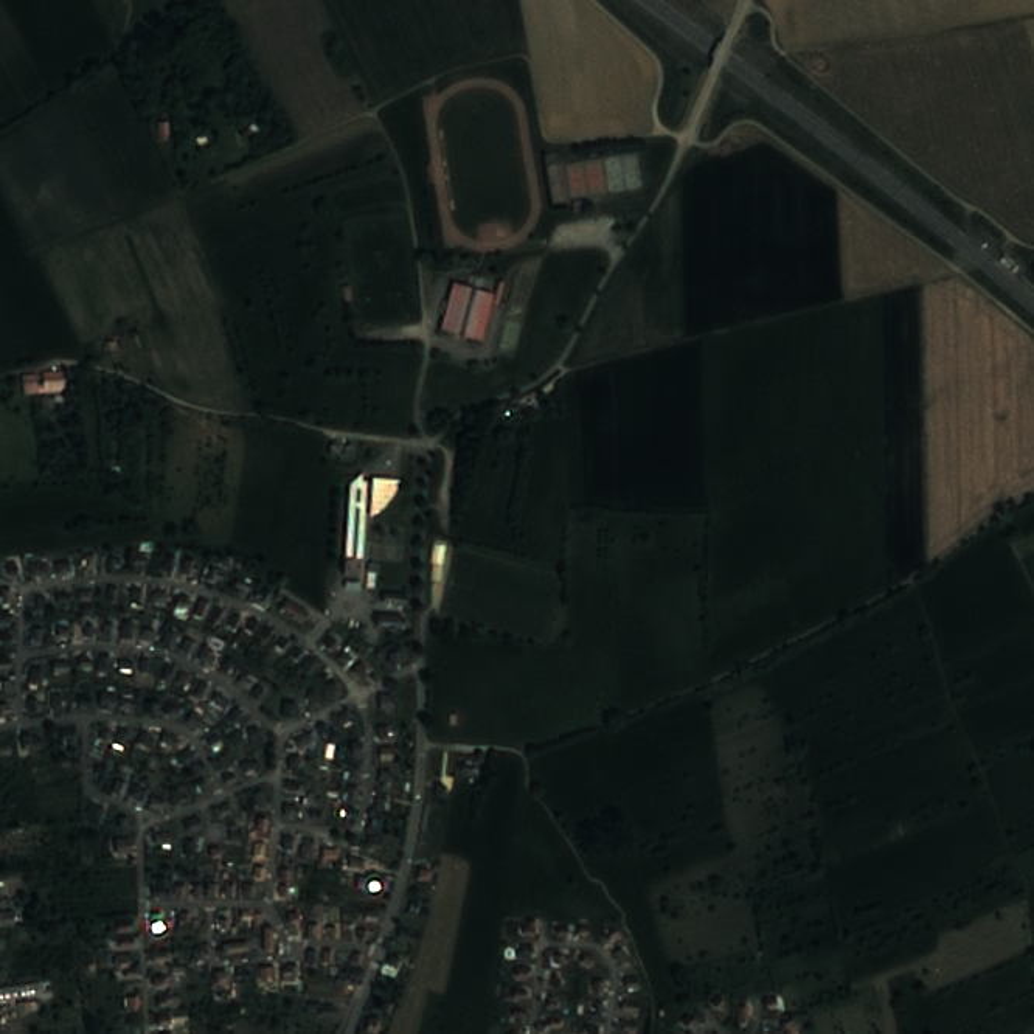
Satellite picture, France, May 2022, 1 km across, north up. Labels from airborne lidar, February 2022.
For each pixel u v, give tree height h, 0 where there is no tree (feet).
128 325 31
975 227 0
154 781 0
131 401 30
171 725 0
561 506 0
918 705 0
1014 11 0
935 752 0
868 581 0
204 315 0
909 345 0
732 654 0
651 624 0
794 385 0
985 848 0
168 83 28
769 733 0
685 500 0
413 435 30
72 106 0
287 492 0
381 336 0
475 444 57
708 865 0
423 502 49
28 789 0
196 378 0
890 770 0
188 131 52
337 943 0
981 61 0
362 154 0
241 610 0
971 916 0
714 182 0
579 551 0
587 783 0
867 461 0
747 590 0
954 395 0
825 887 0
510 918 0
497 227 0
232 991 0
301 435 0
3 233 0
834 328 0
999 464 0
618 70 0
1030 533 0
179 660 0
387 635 26
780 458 0
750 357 0
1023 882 0
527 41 0
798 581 0
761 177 0
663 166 0
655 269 0
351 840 40
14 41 0
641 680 0
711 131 0
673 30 0
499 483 0
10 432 0
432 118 0
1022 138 0
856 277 0
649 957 0
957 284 0
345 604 0
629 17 0
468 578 0
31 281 0
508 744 0
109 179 0
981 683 0
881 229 0
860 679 0
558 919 0
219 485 18
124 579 0
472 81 0
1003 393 0
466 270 0
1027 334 0
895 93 0
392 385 0
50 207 0
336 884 0
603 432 0
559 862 0
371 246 0
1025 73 0
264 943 0
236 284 0
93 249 0
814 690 0
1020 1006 0
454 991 0
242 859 0
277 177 0
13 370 0
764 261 0
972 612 0
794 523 0
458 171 0
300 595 0
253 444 0
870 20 0
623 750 0
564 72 0
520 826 0
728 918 0
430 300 0
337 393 0
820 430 0
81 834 25
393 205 0
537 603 0
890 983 0
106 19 0
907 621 0
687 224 0
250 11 0
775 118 0
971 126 0
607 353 0
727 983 0
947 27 0
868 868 0
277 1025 36
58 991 0
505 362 0
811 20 0
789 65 0
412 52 0
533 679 0
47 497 0
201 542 24
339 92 0
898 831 0
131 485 33
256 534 0
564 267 0
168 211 0
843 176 0
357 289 0
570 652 0
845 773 0
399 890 0
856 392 0
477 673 0
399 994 22
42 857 0
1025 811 0
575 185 0
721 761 0
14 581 0
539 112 0
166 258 0
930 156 0
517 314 0
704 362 0
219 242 0
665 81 0
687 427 0
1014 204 0
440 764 0
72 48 0
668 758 0
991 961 0
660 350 0
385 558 0
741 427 0
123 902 0
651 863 0
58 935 47
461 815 0
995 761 0
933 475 0
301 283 0
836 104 0
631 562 0
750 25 0
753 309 0
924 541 0
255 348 0
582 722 0
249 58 24
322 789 0
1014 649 0
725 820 0
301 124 0
